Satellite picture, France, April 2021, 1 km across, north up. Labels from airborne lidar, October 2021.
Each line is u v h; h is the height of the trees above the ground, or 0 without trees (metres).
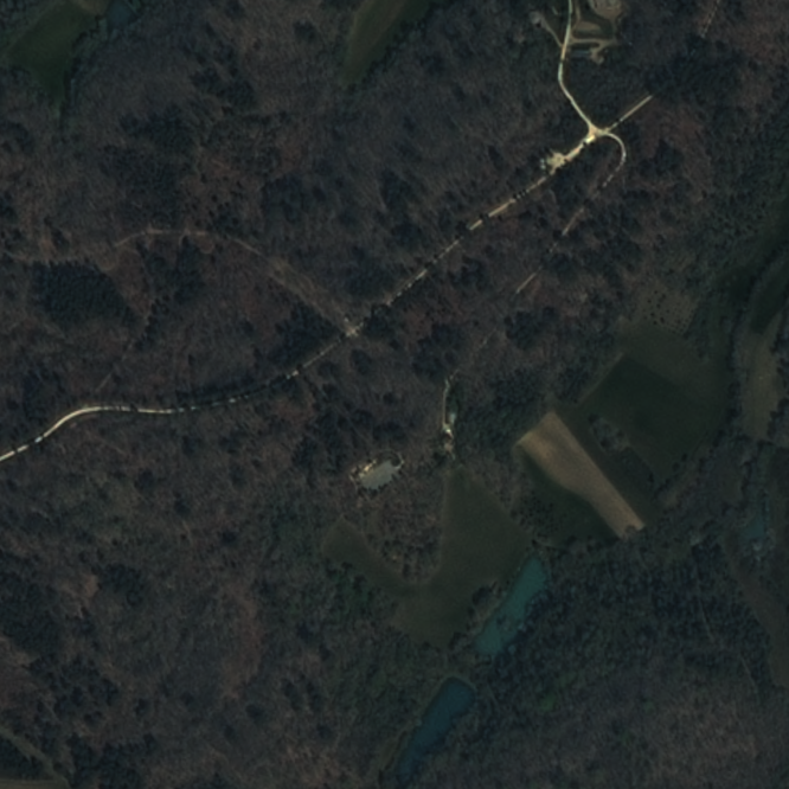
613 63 6
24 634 23
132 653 18
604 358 23
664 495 16
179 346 7
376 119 19
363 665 23
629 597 7
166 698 19
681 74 25
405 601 0
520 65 15
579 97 12
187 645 22
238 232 18
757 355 0
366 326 19
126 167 9
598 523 0
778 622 0
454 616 0
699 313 6
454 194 13
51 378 18
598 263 26
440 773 22
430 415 22
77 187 19
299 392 22
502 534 0
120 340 10
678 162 28
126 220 9
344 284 20
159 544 17
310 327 18
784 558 0
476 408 22
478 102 15
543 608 15
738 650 21
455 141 16
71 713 29
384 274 19
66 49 0
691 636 22
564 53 0
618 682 19
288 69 10
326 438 17
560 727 17
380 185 15
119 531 18
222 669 24
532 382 30
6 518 13
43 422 8
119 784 26
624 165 9
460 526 0
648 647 17
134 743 14
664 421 0
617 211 14
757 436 0
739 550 9
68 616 17
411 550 14
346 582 24
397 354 24
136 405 15
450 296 9
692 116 12
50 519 17
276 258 15
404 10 0
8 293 13
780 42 15
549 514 6
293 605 18
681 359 0
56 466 10
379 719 14
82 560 10
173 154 23
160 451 16
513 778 18
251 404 19
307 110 10
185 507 23
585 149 8
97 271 13
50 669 24
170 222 8
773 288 0
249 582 17
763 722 18
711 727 16
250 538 11
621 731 17
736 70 28
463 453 22
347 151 19
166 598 19
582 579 17
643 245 9
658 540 10
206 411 18
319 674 17
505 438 18
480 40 26
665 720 19
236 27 17
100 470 18
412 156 21
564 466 0
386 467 0
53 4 19
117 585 24
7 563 23
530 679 24
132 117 16
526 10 19
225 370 8
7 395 6
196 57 17
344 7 26
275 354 9
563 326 21
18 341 19
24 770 18
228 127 9
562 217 14
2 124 24
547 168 11
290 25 22
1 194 12
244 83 23
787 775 8
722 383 0
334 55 14
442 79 29
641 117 8
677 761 19
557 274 23
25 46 0
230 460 13
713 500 15
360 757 11
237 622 21
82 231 15
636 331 0
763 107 16
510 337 16
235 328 17
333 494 15
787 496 0
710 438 0
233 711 19
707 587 16
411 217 15
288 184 18
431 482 28
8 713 8
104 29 9
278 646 11
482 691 18
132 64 19
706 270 22
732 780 18
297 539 24
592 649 24
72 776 16
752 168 24
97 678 15
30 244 13
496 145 17
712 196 22
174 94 12
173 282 25
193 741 21
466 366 23
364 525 17
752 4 9
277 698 21
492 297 11
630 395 0
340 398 27
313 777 19
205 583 15
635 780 19
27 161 9
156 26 19
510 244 13
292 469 11
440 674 24
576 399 19
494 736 17
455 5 16
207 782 8
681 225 20
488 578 0
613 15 0
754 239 5
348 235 18
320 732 12
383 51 0
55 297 27
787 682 0
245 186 6
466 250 13
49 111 21
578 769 19
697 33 16
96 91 24
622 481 0
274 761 16
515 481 23
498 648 0
